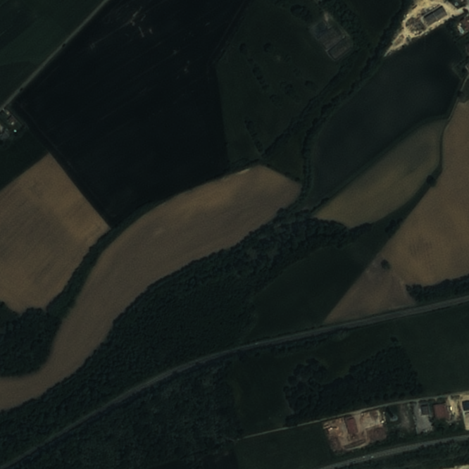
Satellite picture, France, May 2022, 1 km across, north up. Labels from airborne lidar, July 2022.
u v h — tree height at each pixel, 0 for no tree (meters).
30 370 16
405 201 0
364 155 0
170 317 19
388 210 0
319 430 0
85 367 11
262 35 0
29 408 17
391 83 0
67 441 18
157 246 0
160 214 0
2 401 0
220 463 0
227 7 0
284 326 0
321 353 0
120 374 19
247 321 15
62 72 0
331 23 0
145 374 19
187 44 0
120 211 0
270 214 0
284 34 0
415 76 0
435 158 0
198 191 0
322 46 0
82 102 0
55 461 17
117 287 0
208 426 22
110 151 0
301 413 18
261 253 21
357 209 0
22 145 0
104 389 18
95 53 0
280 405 0
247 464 0
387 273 0
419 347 0
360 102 0
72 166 0
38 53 0
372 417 0
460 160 0
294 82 0
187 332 18
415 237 0
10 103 0
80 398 18
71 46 0
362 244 0
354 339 0
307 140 13
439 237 0
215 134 0
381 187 0
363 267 0
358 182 0
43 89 0
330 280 0
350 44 0
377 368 8
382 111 0
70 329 0
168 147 0
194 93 0
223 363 18
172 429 19
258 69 13
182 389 21
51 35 0
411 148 0
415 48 0
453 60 0
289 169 0
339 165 0
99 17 0
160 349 18
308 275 0
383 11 0
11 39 0
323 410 20
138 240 0
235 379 0
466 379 0
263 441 0
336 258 0
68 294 13
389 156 0
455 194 0
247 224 0
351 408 11
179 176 0
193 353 13
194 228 0
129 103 0
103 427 22
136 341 11
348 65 7
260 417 0
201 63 0
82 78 0
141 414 23
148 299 17
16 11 0
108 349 17
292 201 0
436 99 0
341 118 0
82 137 0
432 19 0
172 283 12
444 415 0
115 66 0
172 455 17
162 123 0
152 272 0
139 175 0
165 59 0
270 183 0
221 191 0
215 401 17
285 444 0
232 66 0
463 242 0
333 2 15
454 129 0
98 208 0
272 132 0
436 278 0
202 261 10
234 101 0
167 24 0
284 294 0
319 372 26
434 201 0
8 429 15
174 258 0
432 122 0
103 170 0
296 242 20
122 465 20
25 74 0
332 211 0
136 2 0
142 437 14
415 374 13
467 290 13
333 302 0
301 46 0
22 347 19
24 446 14
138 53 0
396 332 0
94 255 7
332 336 16
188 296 11
